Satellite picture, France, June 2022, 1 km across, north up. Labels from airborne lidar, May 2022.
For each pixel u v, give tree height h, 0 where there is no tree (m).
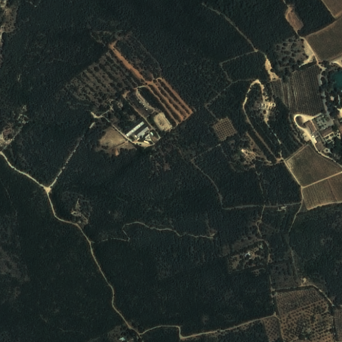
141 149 9
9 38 11
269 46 10
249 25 8
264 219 9
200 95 14
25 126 9
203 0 12
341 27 0
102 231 6
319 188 0
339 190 0
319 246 6
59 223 6
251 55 11
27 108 7
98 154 15
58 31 8
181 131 10
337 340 6
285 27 14
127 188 10
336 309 12
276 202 8
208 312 6
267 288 12
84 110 14
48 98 9
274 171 10
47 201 6
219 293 8
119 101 19
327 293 11
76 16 11
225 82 6
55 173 12
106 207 6
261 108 7
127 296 5
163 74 6
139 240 8
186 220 8
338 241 6
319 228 11
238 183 6
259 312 6
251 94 6
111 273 6
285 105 6
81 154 9
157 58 10
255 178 10
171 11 8
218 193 7
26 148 10
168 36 12
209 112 12
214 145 10
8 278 9
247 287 9
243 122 11
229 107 10
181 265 9
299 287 8
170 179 10
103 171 9
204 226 12
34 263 6
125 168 12
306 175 0
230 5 16
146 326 5
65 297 6
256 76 10
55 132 9
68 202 6
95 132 13
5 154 6
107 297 6
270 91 12
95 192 13
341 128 0
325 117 13
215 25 7
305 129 0
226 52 10
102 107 11
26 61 10
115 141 0
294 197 9
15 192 6
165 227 7
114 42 6
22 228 6
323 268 9
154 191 9
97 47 7
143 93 8
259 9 15
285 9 14
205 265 6
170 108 7
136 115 9
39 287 6
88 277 6
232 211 6
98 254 7
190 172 8
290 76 17
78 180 11
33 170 15
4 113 18
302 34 12
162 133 7
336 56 0
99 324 6
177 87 11
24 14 9
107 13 6
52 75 12
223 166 10
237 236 12
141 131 0
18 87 8
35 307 5
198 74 9
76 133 9
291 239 8
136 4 8
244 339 9
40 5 9
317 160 0
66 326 6
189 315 6
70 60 8
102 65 10
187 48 12
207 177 11
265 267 7
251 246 8
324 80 10
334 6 0
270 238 11
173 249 14
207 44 5
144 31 8
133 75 12
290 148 7
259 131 7
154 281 6
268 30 13
